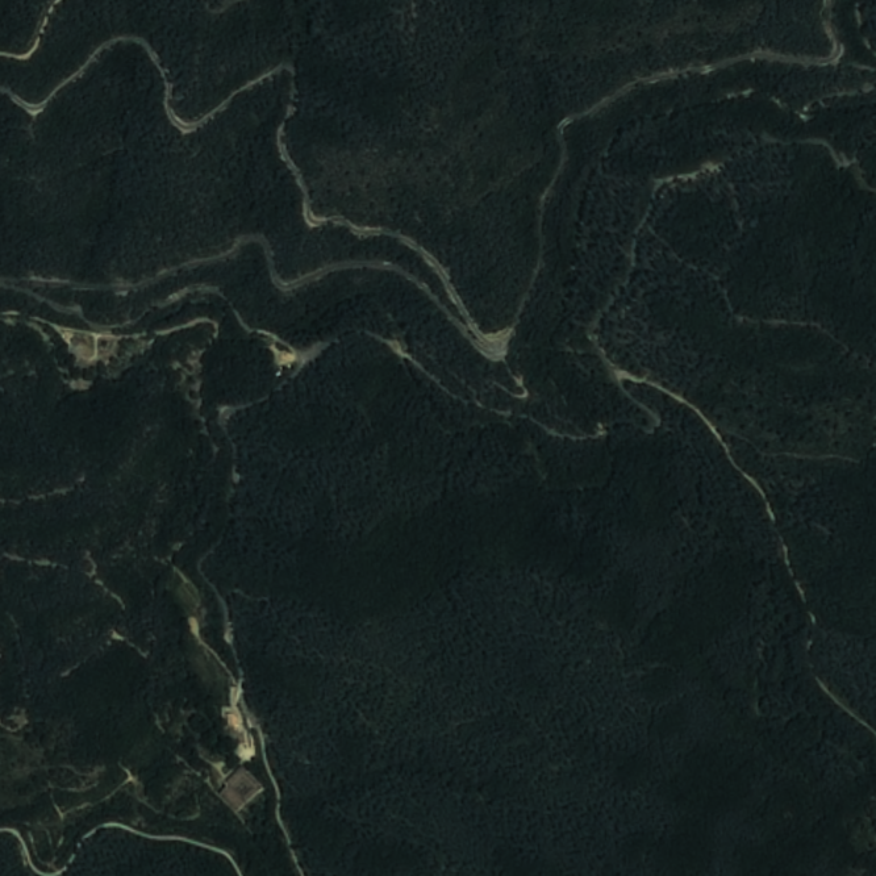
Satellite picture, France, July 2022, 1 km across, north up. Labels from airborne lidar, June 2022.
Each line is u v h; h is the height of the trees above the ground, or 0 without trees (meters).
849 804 11
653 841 10
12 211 11
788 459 7
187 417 14
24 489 7
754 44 10
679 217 9
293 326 12
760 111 10
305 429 11
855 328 10
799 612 14
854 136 14
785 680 16
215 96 6
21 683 13
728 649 20
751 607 17
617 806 15
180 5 16
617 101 6
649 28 15
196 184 14
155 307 9
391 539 14
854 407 6
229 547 7
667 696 12
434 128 12
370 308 24
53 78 15
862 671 12
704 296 8
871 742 12
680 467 28
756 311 8
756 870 14
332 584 8
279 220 7
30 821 6
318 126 10
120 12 16
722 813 14
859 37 7
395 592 8
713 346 8
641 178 15
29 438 6
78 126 6
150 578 7
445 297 8
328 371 16
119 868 8
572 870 16
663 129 8
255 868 14
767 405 10
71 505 13
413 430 7
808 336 9
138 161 16
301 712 13
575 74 7
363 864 8
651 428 18
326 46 16
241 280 7
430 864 14
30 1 15
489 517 8
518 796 13
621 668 13
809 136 6
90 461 7
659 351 12
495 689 18
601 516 13
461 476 24
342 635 14
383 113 9
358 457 12
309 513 16
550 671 16
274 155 10
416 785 16
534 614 14
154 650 12
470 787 9
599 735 17
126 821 6
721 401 9
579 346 9
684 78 15
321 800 8
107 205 8
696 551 21
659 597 20
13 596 6
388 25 15
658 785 13
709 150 8
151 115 11
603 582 15
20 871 14
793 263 17
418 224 7
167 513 12
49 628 6
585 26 14
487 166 7
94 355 0
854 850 9
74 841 7
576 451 12
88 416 9
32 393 6
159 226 9
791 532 11
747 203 16
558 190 10
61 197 9
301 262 7
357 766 8
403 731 10
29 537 8
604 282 21
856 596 8
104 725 9
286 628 16
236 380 11
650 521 7
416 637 19
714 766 16
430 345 19
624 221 18
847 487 12
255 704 15
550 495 18
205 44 8
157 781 13
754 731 11
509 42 9
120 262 10
